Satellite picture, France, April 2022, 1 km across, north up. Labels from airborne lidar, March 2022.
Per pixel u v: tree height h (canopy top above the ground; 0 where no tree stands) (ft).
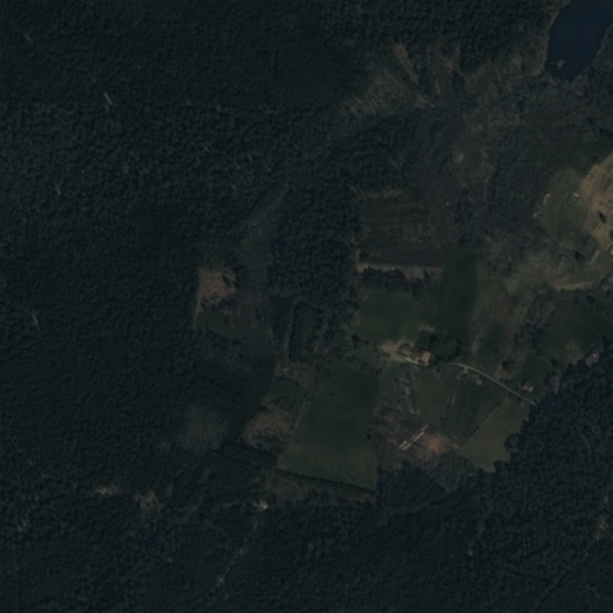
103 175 94
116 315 84
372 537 55
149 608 40
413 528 62
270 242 19
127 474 98
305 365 72
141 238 87
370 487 0
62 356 70
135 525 30
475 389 0
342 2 78
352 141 55
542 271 0
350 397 0
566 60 0
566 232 0
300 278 100
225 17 53
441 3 48
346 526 54
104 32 45
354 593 29
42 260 82
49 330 77
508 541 27
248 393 35
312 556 115
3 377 63
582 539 90
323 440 0
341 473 0
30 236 34
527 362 0
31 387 69
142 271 74
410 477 79
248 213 40
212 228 42
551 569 94
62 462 74
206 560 27
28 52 46
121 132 88
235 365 65
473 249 69
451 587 49
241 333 33
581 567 38
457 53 73
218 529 33
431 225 0
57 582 63
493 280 0
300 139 63
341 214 119
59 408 76
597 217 0
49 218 24
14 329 47
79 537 53
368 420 0
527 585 33
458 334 0
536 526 97
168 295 75
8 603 78
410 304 0
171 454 73
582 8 0
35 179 76
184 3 73
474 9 104
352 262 91
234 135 115
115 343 65
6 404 63
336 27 48
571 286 0
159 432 94
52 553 63
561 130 22
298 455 0
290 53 79
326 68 75
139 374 74
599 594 52
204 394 85
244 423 26
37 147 87
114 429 91
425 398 0
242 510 44
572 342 0
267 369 32
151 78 69
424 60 76
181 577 31
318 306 84
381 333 0
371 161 97
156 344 98
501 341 0
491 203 49
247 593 33
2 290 79
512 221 36
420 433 0
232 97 69
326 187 101
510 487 107
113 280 98
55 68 60
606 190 0
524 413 0
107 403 69
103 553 60
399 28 109
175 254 95
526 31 51
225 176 60
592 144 0
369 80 90
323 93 64
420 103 21
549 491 97
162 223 82
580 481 99
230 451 82
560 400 52
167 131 60
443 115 51
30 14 68
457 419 0
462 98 56
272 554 34
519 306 0
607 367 64
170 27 54
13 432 62
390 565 51
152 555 99
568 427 91
